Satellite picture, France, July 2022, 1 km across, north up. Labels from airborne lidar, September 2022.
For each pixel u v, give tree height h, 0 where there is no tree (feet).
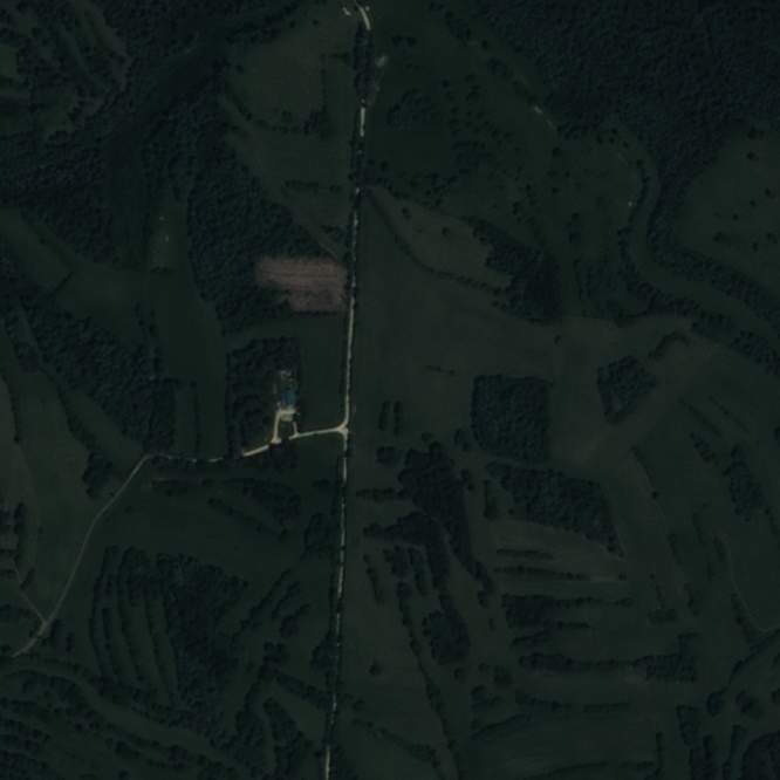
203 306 0
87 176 96
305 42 0
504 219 0
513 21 57
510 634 0
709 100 68
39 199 51
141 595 37
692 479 0
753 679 0
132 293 0
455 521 33
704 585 0
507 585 0
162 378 32
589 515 58
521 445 63
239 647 60
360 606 0
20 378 0
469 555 26
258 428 72
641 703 0
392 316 0
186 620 57
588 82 30
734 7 24
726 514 0
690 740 44
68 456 0
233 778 46
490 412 70
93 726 29
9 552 23
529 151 0
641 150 0
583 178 0
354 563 0
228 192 47
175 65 23
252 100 0
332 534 55
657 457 0
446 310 0
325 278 0
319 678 0
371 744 0
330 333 0
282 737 52
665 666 22
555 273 41
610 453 0
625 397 53
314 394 0
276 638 0
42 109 59
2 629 0
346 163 0
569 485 65
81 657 0
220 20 30
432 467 53
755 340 57
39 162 79
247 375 48
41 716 51
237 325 51
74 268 19
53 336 66
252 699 49
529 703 19
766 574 0
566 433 0
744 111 63
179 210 0
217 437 0
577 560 0
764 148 0
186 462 32
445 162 0
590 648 0
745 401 0
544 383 19
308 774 0
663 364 0
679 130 72
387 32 0
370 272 0
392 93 0
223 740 56
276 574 0
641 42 54
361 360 0
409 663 0
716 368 0
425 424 0
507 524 0
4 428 0
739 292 56
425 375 0
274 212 59
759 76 88
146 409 70
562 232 0
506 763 0
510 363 0
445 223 0
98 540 0
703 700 0
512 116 0
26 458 0
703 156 66
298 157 0
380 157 0
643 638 0
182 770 50
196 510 0
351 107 0
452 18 53
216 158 36
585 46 69
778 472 0
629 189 0
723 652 0
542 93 0
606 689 0
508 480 67
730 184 0
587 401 0
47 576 0
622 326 46
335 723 21
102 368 61
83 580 0
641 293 48
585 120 59
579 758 0
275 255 62
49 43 61
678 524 0
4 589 0
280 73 0
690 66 69
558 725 0
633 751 0
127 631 44
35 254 0
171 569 47
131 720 0
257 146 0
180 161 75
